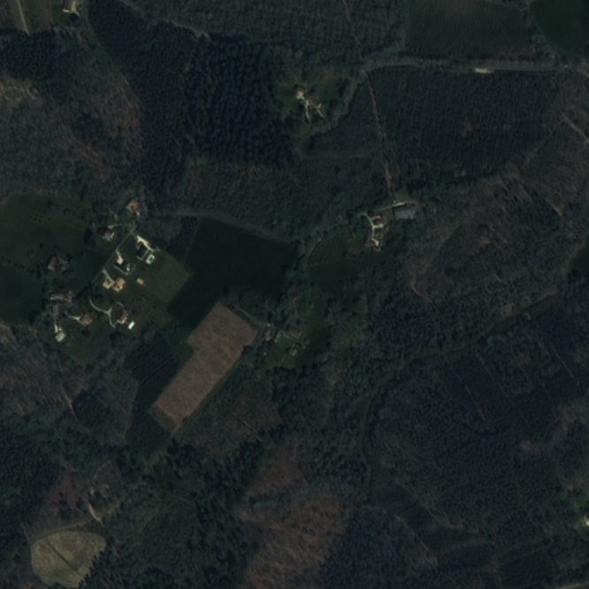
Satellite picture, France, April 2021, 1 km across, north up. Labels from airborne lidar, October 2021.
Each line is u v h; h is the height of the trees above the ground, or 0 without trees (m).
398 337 24
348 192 15
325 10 13
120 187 12
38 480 16
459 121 12
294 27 11
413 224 18
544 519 20
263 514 17
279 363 0
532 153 13
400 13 11
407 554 26
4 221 0
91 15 10
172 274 0
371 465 7
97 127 26
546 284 22
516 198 17
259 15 13
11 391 20
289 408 23
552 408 10
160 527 6
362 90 9
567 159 12
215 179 7
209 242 0
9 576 10
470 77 7
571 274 0
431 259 22
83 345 0
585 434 25
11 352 22
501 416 12
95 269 0
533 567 15
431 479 18
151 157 18
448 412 0
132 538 13
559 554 25
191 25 13
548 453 22
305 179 7
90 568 0
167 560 8
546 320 12
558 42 0
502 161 10
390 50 23
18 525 14
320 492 19
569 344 10
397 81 8
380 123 9
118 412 23
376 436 22
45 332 16
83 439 21
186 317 0
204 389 0
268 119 24
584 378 11
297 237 10
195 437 9
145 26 11
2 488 17
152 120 17
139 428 11
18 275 0
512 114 10
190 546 7
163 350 9
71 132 20
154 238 12
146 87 19
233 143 24
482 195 7
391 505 8
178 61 19
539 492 26
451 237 8
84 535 0
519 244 17
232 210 8
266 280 0
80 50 20
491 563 13
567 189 9
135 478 31
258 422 6
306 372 15
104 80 18
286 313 11
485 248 6
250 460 28
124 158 13
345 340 19
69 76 29
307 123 10
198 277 0
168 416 0
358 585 22
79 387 20
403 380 8
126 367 8
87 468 16
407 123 11
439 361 9
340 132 9
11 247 0
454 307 26
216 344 0
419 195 24
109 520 11
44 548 0
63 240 0
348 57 15
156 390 11
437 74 9
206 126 27
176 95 23
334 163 13
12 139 20
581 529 0
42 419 25
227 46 24
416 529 11
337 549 20
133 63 13
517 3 19
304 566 15
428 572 18
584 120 8
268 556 25
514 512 16
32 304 0
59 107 20
